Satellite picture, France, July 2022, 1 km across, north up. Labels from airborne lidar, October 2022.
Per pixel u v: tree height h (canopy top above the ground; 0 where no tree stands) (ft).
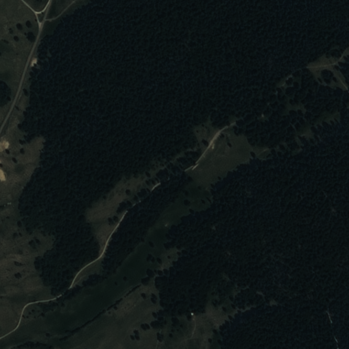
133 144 79
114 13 73
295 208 80
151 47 68
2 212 0
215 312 0
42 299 0
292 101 52
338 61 0
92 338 0
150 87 28
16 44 0
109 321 0
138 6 35
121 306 0
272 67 64
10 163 0
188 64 75
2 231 0
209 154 0
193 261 82
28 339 0
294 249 21
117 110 44
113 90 26
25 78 0
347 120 88
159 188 22
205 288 50
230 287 20
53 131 50
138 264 0
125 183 0
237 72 36
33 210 21
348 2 62
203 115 33
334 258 55
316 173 86
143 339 0
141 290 0
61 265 19
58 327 0
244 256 59
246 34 78
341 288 43
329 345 54
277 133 76
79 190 56
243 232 63
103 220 0
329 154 48
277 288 31
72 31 23
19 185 0
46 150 44
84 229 43
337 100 93
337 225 60
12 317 0
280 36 54
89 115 40
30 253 0
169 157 36
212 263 60
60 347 0
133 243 43
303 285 41
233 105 49
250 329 76
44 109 48
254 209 56
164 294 62
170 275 70
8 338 0
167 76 55
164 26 70
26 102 0
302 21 31
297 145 93
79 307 0
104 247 0
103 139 73
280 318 63
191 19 61
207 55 28
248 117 73
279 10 89
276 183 58
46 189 39
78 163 55
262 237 66
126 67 36
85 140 58
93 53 60
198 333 0
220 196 22
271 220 47
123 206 59
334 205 59
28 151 0
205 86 73
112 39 44
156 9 26
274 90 53
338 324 87
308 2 59
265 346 53
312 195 82
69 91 55
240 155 0
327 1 52
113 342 0
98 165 21
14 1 0
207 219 89
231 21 71
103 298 0
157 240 0
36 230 0
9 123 0
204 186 0
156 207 82
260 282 55
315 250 44
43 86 33
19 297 0
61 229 67
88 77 60
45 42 43
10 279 0
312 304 51
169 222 0
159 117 37
